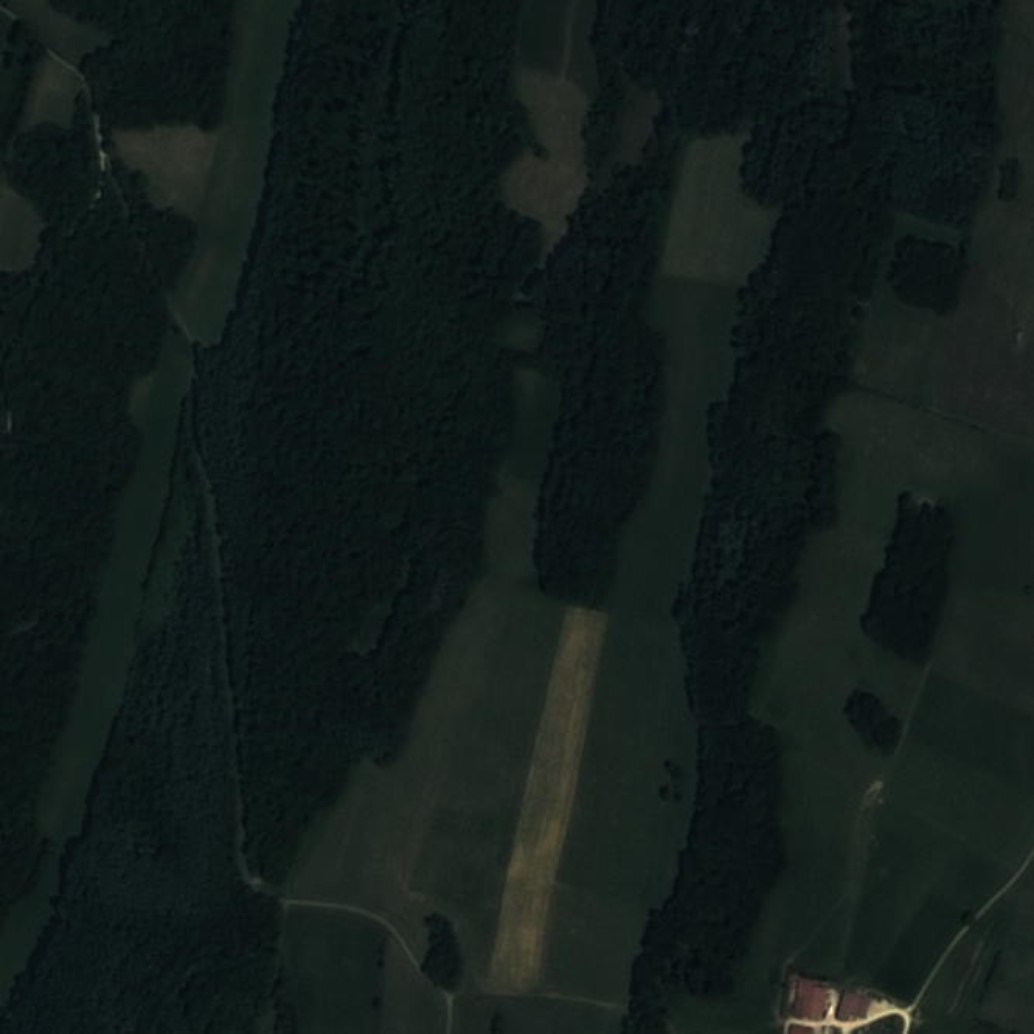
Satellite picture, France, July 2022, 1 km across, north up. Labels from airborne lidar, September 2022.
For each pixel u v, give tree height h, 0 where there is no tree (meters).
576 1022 0
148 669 12
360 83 21
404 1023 0
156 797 16
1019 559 0
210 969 20
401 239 20
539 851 0
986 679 0
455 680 0
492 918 0
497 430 21
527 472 0
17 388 22
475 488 19
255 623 16
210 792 16
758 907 20
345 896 0
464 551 23
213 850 13
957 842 0
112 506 25
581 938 0
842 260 32
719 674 29
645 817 0
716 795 23
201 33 12
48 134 7
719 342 0
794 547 23
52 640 23
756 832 23
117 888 17
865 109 29
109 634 0
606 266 26
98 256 16
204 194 0
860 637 0
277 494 18
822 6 20
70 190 14
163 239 13
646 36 13
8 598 21
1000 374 0
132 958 20
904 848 0
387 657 22
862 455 0
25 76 6
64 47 0
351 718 25
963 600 0
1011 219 0
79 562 20
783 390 12
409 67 21
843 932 0
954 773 0
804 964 0
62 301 17
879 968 0
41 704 21
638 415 20
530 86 0
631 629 0
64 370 14
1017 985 0
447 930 16
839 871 0
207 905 17
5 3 9
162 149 0
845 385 17
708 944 28
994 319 0
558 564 23
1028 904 0
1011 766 0
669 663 0
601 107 7
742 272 0
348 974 0
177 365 0
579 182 0
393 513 25
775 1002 0
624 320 22
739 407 22
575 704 0
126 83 13
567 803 0
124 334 19
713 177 0
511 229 15
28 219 0
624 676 0
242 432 16
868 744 0
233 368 20
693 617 21
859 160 27
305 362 21
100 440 17
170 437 0
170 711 8
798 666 0
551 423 0
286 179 21
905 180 29
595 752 0
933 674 0
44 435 16
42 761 20
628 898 0
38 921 0
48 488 20
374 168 11
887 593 24
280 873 15
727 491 20
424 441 20
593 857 0
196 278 0
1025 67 0
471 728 0
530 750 0
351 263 19
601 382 24
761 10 18
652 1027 23
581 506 22
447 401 18
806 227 27
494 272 9
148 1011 14
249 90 0
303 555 14
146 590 11
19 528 7
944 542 25
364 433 22
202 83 18
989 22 22
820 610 0
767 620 18
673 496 0
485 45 18
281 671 18
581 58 0
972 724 0
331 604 15
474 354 20
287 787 16
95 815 15
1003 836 0
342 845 0
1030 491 0
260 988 17
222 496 18
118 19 12
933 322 0
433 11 19
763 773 27
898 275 23
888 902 0
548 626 0
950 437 0
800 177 16
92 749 0
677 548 0
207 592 15
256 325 16
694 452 0
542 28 0
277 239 18
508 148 13
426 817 0
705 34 25
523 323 0
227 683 13
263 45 0
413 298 14
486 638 0
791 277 25
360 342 22
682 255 0
